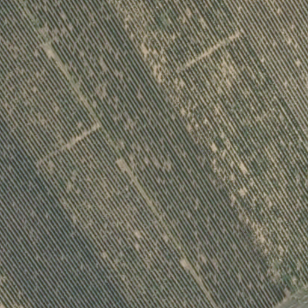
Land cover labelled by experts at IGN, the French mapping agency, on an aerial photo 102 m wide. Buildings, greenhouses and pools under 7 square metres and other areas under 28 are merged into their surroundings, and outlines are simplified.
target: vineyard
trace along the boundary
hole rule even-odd
[[[0,308],[272,308],[283,300],[285,289],[294,294],[308,283],[308,0],[0,0]]]

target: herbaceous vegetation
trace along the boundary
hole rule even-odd
[[[283,300],[272,308],[308,308],[308,283],[294,294],[285,289]]]

